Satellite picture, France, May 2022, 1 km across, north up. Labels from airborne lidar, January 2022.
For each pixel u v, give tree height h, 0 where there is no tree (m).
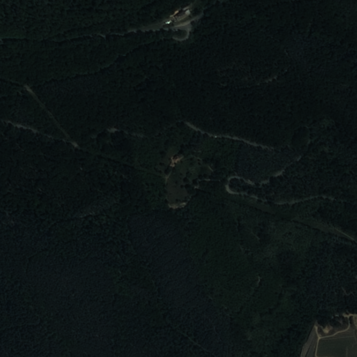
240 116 17
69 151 18
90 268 23
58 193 15
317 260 20
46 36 20
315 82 16
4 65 23
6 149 27
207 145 9
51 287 20
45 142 23
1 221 25
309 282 25
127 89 27
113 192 26
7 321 22
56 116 18
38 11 26
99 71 9
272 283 16
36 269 18
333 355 0
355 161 22
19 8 29
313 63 20
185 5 0
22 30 19
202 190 6
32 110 24
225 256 13
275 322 26
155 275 19
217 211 25
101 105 25
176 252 14
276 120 21
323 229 0
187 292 18
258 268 21
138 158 15
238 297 15
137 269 21
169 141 11
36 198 17
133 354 14
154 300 19
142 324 27
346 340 0
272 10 26
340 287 15
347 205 19
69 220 23
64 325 20
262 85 12
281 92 20
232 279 16
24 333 31
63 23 21
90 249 28
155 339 27
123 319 18
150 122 26
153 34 16
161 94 30
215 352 21
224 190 11
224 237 17
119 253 23
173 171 11
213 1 11
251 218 18
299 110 30
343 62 27
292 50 18
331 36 22
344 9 18
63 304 21
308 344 0
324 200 16
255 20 25
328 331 0
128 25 10
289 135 26
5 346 24
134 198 21
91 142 26
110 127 12
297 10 26
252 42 16
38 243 31
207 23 21
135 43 16
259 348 25
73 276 20
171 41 17
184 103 26
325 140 20
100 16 25
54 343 25
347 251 20
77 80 23
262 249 17
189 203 9
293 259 18
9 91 30
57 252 18
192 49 15
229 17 26
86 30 23
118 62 20
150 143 14
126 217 18
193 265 20
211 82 16
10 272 22
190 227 15
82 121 25
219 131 17
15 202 10
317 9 22
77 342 20
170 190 0
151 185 17
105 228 25
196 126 15
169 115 27
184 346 26
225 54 14
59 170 19
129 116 22
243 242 23
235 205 17
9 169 19
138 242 18
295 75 8
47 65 24
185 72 20
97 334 19
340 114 20
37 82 24
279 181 19
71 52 30
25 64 27
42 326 24
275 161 22
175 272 21
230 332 17
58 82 23
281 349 27
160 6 26
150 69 27
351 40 28
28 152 22
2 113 22
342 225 19
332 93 12
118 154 20
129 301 27
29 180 19
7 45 25
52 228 27
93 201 26
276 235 14
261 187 13
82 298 21
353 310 15
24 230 26
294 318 25
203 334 20
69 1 16
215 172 10
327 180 14
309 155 22
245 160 24
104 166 33
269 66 11
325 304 16
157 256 19
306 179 23
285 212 16
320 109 27
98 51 28
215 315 19
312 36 18
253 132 17
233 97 19
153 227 17
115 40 24
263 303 14
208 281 13
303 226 18
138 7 16
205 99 24
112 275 24
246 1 20
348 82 13
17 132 18
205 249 11
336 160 22
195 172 0
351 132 21
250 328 16
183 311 15
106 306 21
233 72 11
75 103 24
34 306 23
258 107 23
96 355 20
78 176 28
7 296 25
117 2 24
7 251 23
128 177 21
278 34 22
